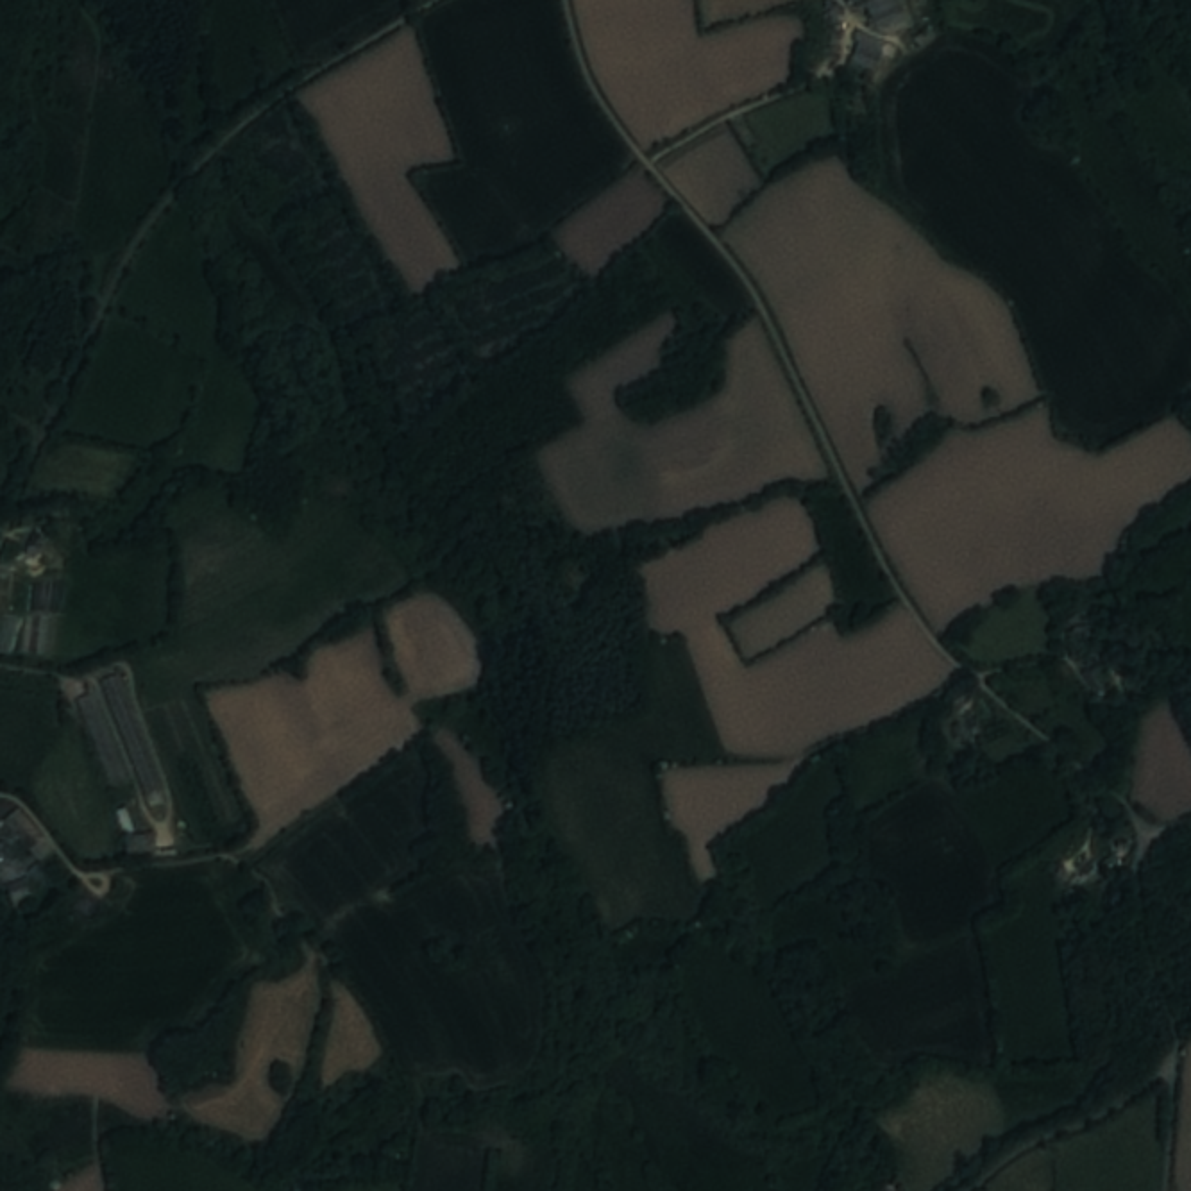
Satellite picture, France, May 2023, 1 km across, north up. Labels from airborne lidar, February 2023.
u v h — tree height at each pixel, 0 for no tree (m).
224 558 0
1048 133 11
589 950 8
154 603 0
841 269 0
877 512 0
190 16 36
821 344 0
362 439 7
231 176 12
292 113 15
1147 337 0
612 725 16
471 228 0
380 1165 16
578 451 0
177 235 0
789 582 9
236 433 0
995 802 0
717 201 0
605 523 0
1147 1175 0
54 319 16
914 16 0
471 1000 0
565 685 26
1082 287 0
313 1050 7
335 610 0
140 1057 0
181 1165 0
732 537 0
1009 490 0
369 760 0
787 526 0
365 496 7
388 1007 0
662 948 0
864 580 0
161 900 0
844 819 15
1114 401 0
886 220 0
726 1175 0
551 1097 6
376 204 0
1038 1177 0
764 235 0
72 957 0
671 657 0
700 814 0
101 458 0
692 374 11
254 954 0
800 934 0
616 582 20
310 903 0
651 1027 7
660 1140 0
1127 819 14
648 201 0
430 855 17
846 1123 14
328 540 0
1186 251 6
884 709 0
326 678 0
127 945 0
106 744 0
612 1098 6
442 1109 12
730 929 9
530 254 13
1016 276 0
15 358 10
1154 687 15
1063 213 0
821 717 0
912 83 0
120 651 8
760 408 0
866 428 0
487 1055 0
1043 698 0
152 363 0
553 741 17
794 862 0
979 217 0
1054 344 0
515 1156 0
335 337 14
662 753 0
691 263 0
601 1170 10
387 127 0
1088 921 15
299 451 11
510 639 8
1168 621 23
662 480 0
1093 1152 0
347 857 0
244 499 12
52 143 0
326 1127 18
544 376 11
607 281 9
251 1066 0
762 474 0
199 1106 0
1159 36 16
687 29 0
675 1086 7
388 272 16
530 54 0
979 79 0
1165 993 14
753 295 0
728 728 0
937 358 0
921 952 0
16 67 19
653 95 0
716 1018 0
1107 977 18
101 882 0
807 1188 0
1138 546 12
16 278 17
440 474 13
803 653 0
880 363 0
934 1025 0
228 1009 14
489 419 11
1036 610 0
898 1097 8
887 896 20
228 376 0
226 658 0
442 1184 0
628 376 0
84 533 11
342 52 11
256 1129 0
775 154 0
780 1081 0
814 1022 11
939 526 0
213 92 14
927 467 0
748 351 0
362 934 0
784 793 13
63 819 0
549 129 0
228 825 0
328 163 14
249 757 0
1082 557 0
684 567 0
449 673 0
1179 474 0
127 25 36
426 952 13
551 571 10
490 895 0
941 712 8
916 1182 0
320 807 0
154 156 0
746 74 0
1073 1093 0
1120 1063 19
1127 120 11
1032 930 0
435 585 14
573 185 0
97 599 0
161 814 0
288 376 7
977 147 0
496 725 9
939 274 0
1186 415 17
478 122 0
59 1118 0
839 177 0
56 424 10
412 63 0
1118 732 13
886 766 0
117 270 0
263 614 0
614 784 0
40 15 7
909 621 0
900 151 0
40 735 0
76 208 0
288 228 16
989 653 0
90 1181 0
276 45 0
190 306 0
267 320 7
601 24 0
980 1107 0
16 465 11
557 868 18
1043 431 0
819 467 0
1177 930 10
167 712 0
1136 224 0
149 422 0
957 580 0
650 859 0
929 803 0
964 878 0
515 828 23
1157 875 12
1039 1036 0
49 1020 0
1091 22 9
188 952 0
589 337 10
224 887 0
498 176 0
